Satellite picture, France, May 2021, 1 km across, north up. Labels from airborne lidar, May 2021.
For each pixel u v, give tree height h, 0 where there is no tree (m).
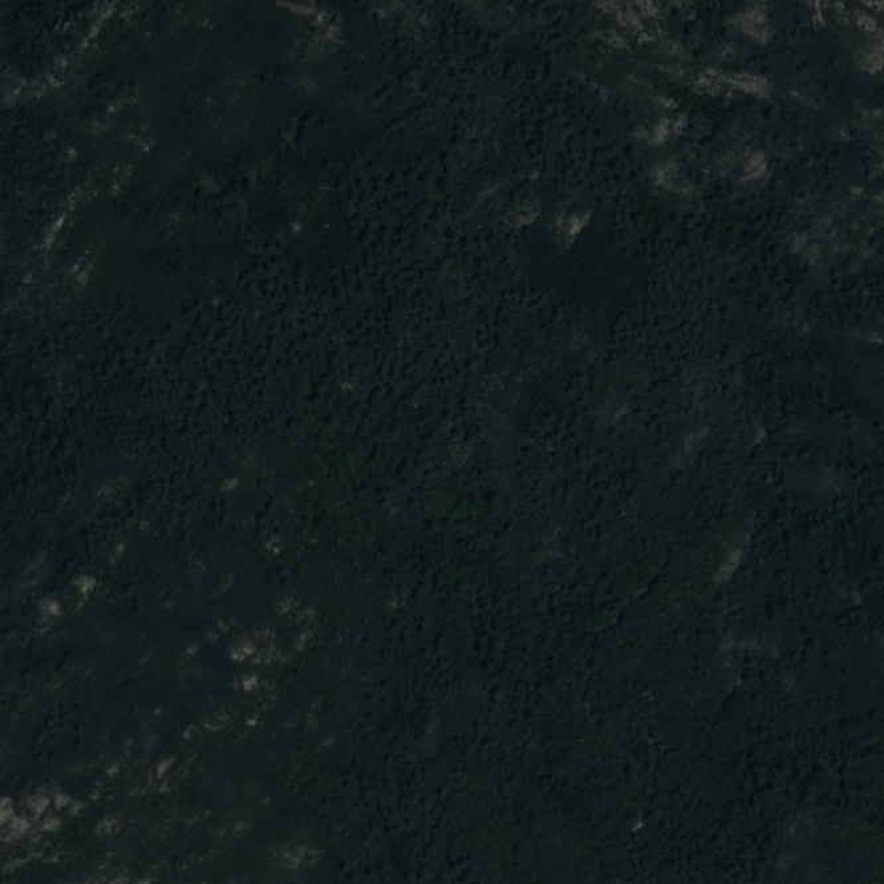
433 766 8
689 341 21
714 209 14
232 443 18
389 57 19
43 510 8
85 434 5
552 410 6
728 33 19
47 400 6
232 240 7
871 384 6
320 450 10
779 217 20
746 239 18
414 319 22
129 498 9
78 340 8
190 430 25
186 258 8
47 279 6
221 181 7
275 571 8
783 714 12
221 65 6
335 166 21
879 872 8
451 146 6
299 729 6
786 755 7
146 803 8
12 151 9
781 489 17
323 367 8
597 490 25
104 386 12
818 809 13
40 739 18
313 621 7
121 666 6
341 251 9
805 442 7
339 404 11
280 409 8
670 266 27
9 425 7
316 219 7
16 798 7
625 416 7
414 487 9
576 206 8
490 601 22
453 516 14
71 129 7
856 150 6
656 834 13
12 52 13
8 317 11
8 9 7
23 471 11
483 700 6
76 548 9
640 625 7
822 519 9
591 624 12
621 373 6
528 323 7
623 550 12
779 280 21
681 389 18
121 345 15
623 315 17
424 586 22
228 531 6
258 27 6
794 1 9
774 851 17
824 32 9
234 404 24
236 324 20
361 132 7
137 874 6
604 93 23
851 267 20
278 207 6
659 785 17
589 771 12
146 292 7
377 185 24
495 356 12
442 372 20
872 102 6
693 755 15
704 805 19
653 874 13
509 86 16
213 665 7
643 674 12
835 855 7
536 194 7
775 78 6
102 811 7
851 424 15
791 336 20
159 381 21
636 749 8
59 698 6
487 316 16
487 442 6
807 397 19
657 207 9
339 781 15
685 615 9
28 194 7
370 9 17
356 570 6
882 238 18
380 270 26
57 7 13
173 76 6
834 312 14
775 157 7
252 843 7
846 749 11
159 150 8
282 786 6
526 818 12
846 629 15
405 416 12
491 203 15
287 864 0
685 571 13
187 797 7
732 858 8
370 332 23
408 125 23
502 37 22
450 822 13
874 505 8
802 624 6
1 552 17
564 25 21
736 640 6
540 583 9
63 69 7
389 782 23
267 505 7
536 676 11
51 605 0
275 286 25
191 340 21
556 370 8
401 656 6
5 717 6
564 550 9
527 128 18
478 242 19
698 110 16
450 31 20
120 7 11
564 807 15
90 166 7
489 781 12
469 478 12
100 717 7
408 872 7
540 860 17
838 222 6
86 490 7
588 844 15
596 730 13
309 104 6
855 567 6
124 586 6
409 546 10
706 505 11
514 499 15
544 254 10
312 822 7
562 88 22
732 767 14
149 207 6
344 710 8
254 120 6
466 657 6
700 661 17
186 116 9
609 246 9
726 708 12
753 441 7
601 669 15
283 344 7
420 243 7
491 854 14
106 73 11
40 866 6
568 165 19
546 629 8
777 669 7
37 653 15
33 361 14
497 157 15
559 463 19
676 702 18
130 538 6
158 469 11
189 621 6
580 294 9
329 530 13
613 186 26
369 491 24
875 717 16
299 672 15
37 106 10
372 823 13
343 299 21
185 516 19
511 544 5
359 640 9
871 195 6
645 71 9
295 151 8
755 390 19
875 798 7
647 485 22
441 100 19
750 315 16
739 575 11
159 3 6
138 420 8
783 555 10
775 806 8
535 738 15
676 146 7
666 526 11
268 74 8
